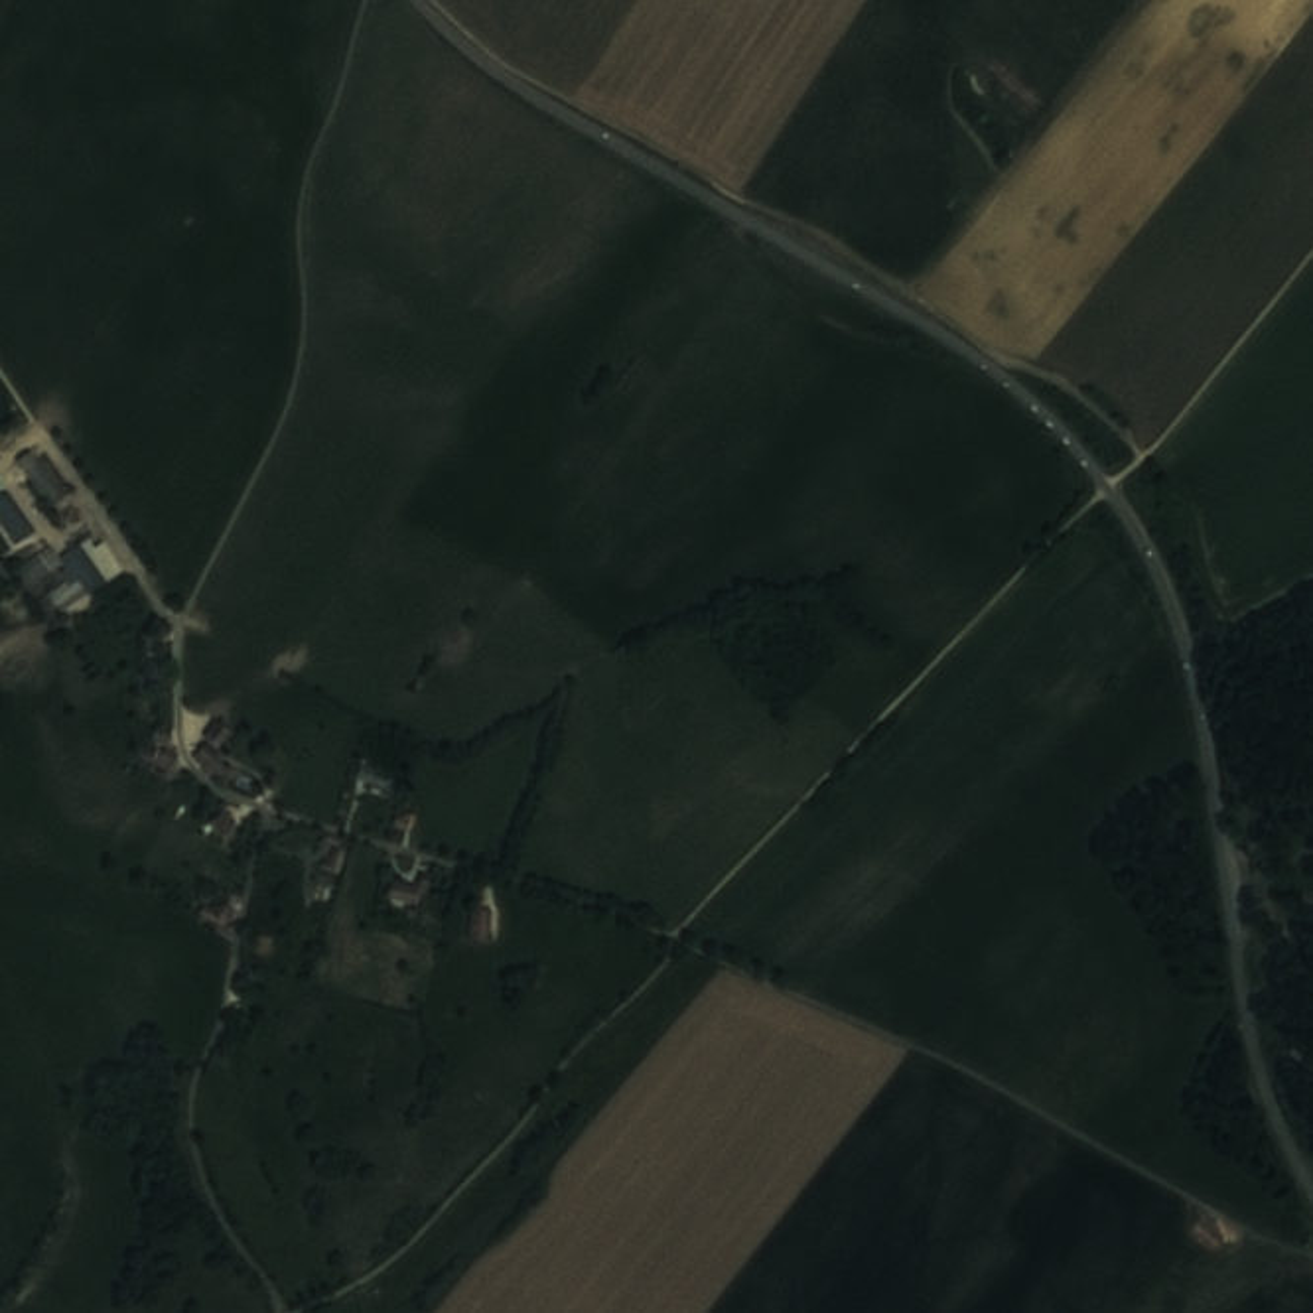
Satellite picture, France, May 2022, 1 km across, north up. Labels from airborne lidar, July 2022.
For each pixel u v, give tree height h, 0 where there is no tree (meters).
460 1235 0
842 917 0
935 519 0
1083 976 0
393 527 0
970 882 0
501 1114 0
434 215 0
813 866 0
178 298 0
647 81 0
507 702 0
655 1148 0
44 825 0
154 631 8
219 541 0
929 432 0
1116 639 0
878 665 0
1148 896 23
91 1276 0
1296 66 0
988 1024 0
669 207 0
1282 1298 0
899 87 0
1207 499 0
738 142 0
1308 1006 24
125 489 0
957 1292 0
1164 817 26
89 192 0
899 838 0
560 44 0
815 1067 0
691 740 0
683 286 0
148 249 0
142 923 0
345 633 0
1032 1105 0
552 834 0
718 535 0
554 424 0
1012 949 0
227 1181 0
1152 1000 0
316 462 0
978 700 0
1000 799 0
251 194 0
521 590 0
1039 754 0
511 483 0
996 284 0
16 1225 0
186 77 0
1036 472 0
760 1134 0
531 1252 0
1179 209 0
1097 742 0
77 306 0
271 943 0
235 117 0
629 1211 0
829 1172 0
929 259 0
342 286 0
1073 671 0
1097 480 0
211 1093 0
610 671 0
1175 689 0
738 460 0
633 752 0
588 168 0
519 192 0
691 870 0
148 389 0
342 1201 0
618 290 0
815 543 0
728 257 0
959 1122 0
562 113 0
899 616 0
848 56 0
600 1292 0
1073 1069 0
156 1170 18
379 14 0
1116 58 0
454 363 0
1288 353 0
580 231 0
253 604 0
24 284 0
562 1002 0
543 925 0
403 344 0
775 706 10
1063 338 0
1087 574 0
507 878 10
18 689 0
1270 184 0
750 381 0
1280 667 26
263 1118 0
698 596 0
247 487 0
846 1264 0
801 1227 0
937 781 0
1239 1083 21
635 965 0
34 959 0
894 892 0
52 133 0
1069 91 0
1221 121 0
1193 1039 0
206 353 0
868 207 0
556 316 0
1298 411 0
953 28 0
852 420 0
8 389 0
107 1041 0
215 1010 0
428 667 8
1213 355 0
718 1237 0
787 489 0
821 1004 0
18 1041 0
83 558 0
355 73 0
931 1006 0
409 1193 0
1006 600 0
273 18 0
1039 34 0
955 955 0
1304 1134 8
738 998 0
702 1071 0
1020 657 0
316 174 0
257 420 0
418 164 0
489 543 0
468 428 0
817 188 0
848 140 0
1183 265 0
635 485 0
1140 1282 0
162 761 0
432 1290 9
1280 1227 0
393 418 0
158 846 0
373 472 0
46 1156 0
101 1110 16
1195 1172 0
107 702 0
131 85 0
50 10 0
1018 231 0
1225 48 0
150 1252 9
